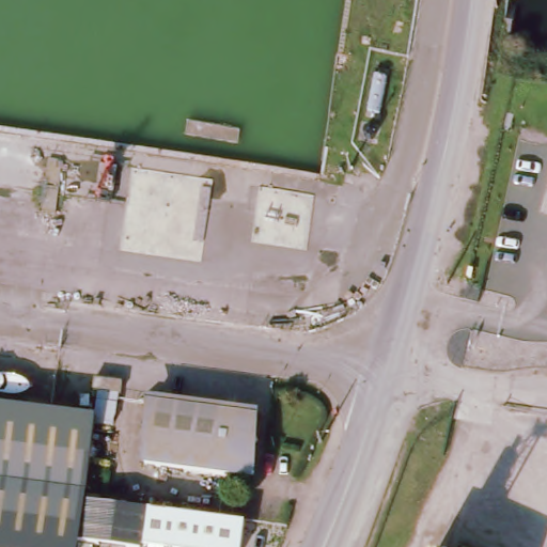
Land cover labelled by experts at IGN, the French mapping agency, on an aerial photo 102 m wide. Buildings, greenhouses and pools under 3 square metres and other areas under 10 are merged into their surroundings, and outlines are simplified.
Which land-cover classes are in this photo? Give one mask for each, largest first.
<instances>
[{"label":"impervious surface","instance_id":"1","mask_svg":"<svg viewBox=\"0 0 547 547\"><path fill-rule=\"evenodd\" d=\"M496 0H415L412 30L406 51L408 68L400 81V94L395 98V105L389 107L387 118V122L391 124L389 143L395 145V150L385 171H374L372 175L355 171V175H346L342 186L321 184V177L316 173L190 152L126 145L90 137L0 126V400L38 402L92 410L98 406V391L92 387V380L109 376L120 380L128 378L132 387H154L160 393H179L254 404V464L246 466L239 472H233L235 479L241 481L248 489V502L244 506L224 504L218 498V491L212 489L214 476L152 479L139 472H118L111 468L88 464L83 491L88 496L139 502L143 506L160 504L239 515L244 517L239 547H372L378 528L374 517L376 511H382L391 498V489L397 479V470L406 449V434L415 427L417 412L438 397L453 400L459 404L455 412V436L447 464L438 472V479L423 504L408 547H547V135L532 128L519 132L517 152L521 154V158L513 162L511 169L506 205L502 209L498 226L500 237H496V250L491 254L487 288L479 301L462 297L459 291L468 286L470 280L449 278L447 271L462 250L457 231L464 226V214L472 197V186L479 182V150L485 145V139L489 135L481 115L485 77ZM124 169L212 179L201 235L203 252L199 261H182L122 250L120 237L128 199V179L122 175ZM265 188L312 197L310 229L303 248L269 246L252 239V235L259 233V224L254 222L256 199L259 192ZM297 374L306 376L310 385H314L329 397L333 417L325 451L321 453L318 464L303 479H295L288 472L284 457H278L280 434L284 432L282 406L278 400L282 389H274V382L278 378L286 380ZM286 500H295L297 504L291 523L278 521L280 509ZM188 137L214 139L224 143L239 141V130L233 126L190 120L186 122Z\"/></svg>","mask_w":547,"mask_h":547},{"label":"water","instance_id":"2","mask_svg":"<svg viewBox=\"0 0 547 547\"><path fill-rule=\"evenodd\" d=\"M344 0H0V126L90 137L126 145L190 152L316 173L321 169V156L325 150L329 126L331 90L335 75L333 62L342 34ZM190 120L233 126L239 130V141L224 143L214 139L188 137L186 122ZM509 15L513 19V36H519L526 45L534 49L547 51V0H511Z\"/></svg>","mask_w":547,"mask_h":547},{"label":"building","instance_id":"3","mask_svg":"<svg viewBox=\"0 0 547 547\"><path fill-rule=\"evenodd\" d=\"M385 75L374 73L365 109L370 118V122L365 124L368 135H376L378 128L385 124L376 118V113L380 109ZM122 175L128 179V199L120 237L122 250L182 261H199L203 252L201 235L212 179L124 169ZM312 197L265 188L259 192L256 199L254 222L259 224V233L252 235V239L269 246L303 248L310 229ZM92 387L98 391V406L92 410L38 402L0 400V547H239L244 517L239 515L160 504L143 506L139 502L88 496L83 491L88 464L111 468L118 472H139L152 479L214 476H226L229 472H239L246 466L254 464V404L179 393H160L154 387H132L128 378L120 380L109 376L92 380Z\"/></svg>","mask_w":547,"mask_h":547},{"label":"herbaceous vegetation","instance_id":"4","mask_svg":"<svg viewBox=\"0 0 547 547\"><path fill-rule=\"evenodd\" d=\"M415 0H344L342 34L333 62L335 75L331 90L329 126L325 150L321 156V169L316 173L321 177V184L342 186L346 175H355V171L372 175L374 171H385L395 150V145L389 143L391 124L387 122V118L389 107L395 105V98L400 94V81L408 68L406 51L412 30ZM374 73L385 75L380 109L376 113V118L385 124L378 128L376 135H368L365 124L370 122V118L365 109ZM481 115L489 135L485 139V145L479 150V182L472 186V197L464 214V226L457 231L462 250L447 271L449 278L470 280L468 286L459 291L462 297L479 301L487 288L491 254L496 250V237H500L498 226L502 209L506 205L511 169L513 162L521 158V154L517 152L519 132L532 128L547 135V81L541 73H532L530 79H513L511 75H504L502 79L485 77ZM274 389H282L278 400L282 406L284 432L280 434L278 457H284L288 472L295 479H303L318 464L321 453L325 451L333 417L329 397L314 385H310L306 376L297 374L286 380L278 378L274 382ZM459 404L453 400L438 397L417 412L415 427L406 434V449L397 470V479L391 489V498L382 511H376L374 517L378 528L372 547H408L423 504L438 479V472L447 464L455 436V412ZM297 504L295 500H286L280 509L278 521L291 523Z\"/></svg>","mask_w":547,"mask_h":547},{"label":"brushwood","instance_id":"5","mask_svg":"<svg viewBox=\"0 0 547 547\"><path fill-rule=\"evenodd\" d=\"M511 0H496L485 77L502 79L504 75H511L513 79H530L532 73H541L547 81V51L534 49L526 45L519 36H513V19L509 15Z\"/></svg>","mask_w":547,"mask_h":547},{"label":"deciduous trees","instance_id":"6","mask_svg":"<svg viewBox=\"0 0 547 547\"><path fill-rule=\"evenodd\" d=\"M212 489L218 491V498L224 504L244 506L248 502V489L241 481L235 479L233 472H229L226 476H214Z\"/></svg>","mask_w":547,"mask_h":547}]
</instances>
